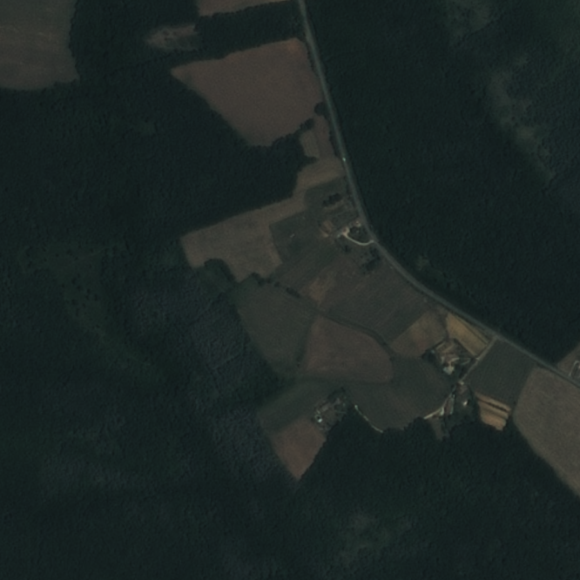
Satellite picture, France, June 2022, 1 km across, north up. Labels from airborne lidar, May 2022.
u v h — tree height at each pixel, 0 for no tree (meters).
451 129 13
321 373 0
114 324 7
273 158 17
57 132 6
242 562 21
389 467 9
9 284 14
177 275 19
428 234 22
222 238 0
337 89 16
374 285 0
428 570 13
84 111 12
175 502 18
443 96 13
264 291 0
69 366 18
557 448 0
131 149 21
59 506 19
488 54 11
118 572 15
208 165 14
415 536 17
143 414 17
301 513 8
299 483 17
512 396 0
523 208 17
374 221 15
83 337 11
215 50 19
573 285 21
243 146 22
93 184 21
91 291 17
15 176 16
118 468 14
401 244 17
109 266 21
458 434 21
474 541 15
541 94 8
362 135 14
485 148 17
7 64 0
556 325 23
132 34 13
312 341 0
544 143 8
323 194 0
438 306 0
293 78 0
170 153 14
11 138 14
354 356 0
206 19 16
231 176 19
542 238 17
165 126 18
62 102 13
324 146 0
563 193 19
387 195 18
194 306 17
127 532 13
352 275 0
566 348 18
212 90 0
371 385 0
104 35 10
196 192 12
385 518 11
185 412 21
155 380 8
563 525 21
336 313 0
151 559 14
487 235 17
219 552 21
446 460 9
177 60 18
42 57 0
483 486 16
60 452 9
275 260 0
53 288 14
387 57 19
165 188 17
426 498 12
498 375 0
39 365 20
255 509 23
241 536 21
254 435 18
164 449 14
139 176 22
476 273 24
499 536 18
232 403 17
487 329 0
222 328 16
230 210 11
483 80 10
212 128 21
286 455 0
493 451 23
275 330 0
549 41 9
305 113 0
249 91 0
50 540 13
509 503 18
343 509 10
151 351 15
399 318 0
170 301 21
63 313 14
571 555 17
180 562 15
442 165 17
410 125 17
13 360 17
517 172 17
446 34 12
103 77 11
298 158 18
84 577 14
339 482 9
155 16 11
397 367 0
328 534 12
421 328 0
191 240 0
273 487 16
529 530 16
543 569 19
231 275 10
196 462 21
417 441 12
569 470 0
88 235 16
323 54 9
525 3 8
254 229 0
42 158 15
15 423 10
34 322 14
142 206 11
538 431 0
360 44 15
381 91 19
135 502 21
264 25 16
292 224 0
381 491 12
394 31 16
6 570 16
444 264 17
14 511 17
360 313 0
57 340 14
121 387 16
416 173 22
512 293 25
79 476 15
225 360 17
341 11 13
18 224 20
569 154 14
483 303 21
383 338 0
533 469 19
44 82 0
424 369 0
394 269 0
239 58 0
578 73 13
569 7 8
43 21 0
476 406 11
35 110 15
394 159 19
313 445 0
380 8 12
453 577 16
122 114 23
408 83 16
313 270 0
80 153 12
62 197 17
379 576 16
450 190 17
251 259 0
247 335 16
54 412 11
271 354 0
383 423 0
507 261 16
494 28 14
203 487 25
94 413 20
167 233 12
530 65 10
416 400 0
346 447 8
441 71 17
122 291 17
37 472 13
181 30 0
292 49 0
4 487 11
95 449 13
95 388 19
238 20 17
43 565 13
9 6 0
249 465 16
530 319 27
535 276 19
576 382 0
